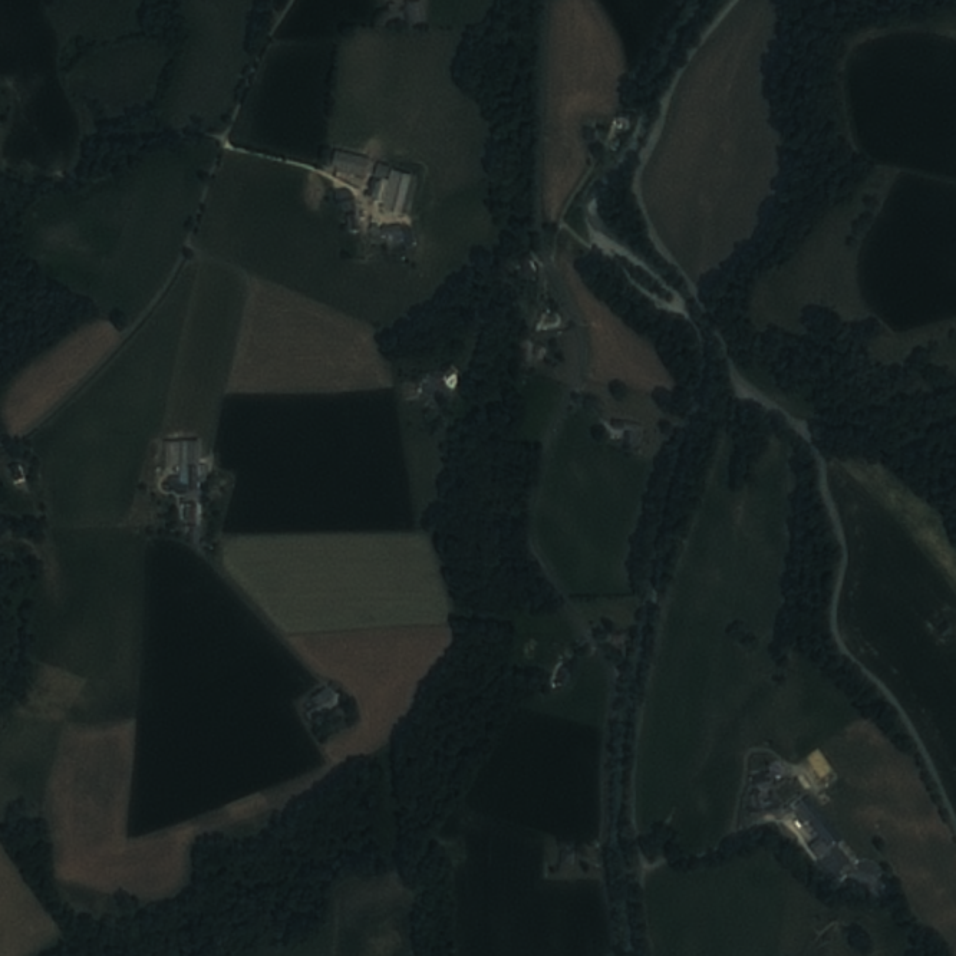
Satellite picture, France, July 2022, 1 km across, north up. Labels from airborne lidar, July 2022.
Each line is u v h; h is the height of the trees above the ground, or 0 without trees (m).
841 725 0
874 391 24
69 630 0
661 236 0
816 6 35
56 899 13
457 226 0
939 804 9
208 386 0
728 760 0
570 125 0
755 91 0
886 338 0
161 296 0
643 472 0
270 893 24
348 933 0
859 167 21
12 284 25
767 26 0
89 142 14
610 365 0
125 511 0
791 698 0
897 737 21
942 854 0
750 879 0
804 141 31
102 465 0
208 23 0
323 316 0
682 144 0
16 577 8
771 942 0
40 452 0
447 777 28
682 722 0
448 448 8
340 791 32
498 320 26
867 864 0
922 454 31
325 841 29
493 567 34
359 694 0
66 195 10
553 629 0
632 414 0
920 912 0
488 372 25
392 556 0
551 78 0
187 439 0
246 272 0
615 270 28
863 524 0
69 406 0
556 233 7
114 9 0
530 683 22
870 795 0
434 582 0
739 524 0
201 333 0
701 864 10
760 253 23
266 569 0
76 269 0
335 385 0
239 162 0
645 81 19
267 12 21
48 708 0
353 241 0
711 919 0
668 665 0
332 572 0
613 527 0
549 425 0
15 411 0
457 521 30
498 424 34
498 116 16
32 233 0
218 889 23
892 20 7
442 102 0
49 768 0
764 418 16
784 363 23
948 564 0
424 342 28
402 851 19
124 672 0
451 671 20
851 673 21
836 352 21
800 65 25
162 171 0
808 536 28
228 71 0
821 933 0
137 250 0
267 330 0
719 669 0
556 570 0
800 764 0
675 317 8
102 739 0
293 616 0
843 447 27
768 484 0
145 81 0
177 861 0
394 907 0
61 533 0
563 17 0
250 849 23
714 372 20
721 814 0
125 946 25
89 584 0
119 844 0
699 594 0
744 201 0
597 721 0
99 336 0
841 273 0
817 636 11
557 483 0
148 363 0
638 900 16
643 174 0
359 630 0
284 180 0
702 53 0
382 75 0
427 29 11
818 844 0
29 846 20
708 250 0
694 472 24
